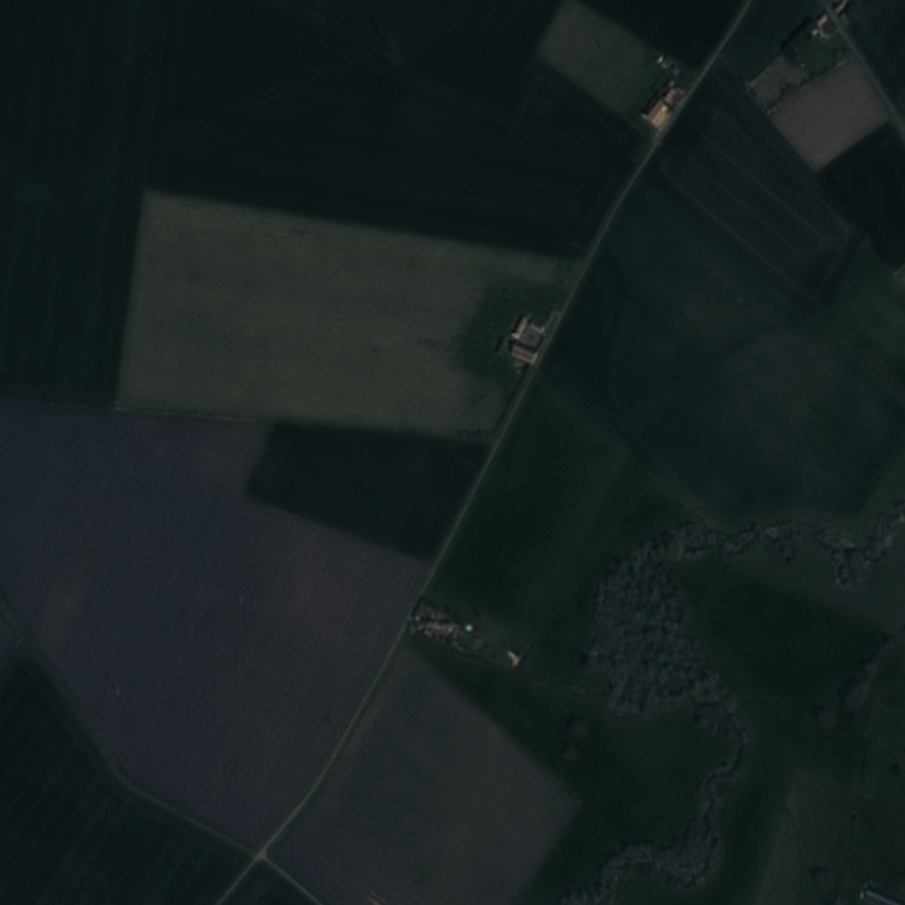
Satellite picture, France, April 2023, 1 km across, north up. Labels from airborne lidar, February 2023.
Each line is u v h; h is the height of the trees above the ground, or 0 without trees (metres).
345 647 0
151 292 0
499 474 0
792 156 0
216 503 0
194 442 0
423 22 0
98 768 0
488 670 0
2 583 0
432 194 0
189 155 0
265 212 0
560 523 0
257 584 0
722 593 0
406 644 0
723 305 0
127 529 0
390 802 0
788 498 0
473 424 0
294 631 0
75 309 0
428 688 0
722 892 0
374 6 0
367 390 0
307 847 0
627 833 0
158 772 0
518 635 0
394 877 0
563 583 0
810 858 0
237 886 0
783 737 0
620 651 14
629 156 0
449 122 0
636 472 0
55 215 0
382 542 0
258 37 0
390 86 0
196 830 0
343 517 0
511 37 0
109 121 0
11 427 0
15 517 0
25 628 0
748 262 0
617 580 15
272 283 0
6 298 0
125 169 0
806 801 0
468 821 0
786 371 0
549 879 0
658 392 0
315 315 0
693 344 0
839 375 0
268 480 0
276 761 0
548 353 0
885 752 0
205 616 0
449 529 0
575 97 0
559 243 0
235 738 0
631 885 0
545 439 0
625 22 0
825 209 0
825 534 7
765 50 0
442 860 0
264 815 0
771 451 0
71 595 0
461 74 0
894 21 0
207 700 0
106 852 0
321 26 0
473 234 0
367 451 0
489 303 0
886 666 0
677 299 0
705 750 0
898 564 0
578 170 0
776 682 0
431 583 0
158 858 0
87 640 0
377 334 0
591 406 0
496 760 0
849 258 0
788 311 0
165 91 0
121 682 0
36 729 0
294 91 0
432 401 0
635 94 0
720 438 0
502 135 0
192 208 0
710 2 0
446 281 0
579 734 15
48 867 0
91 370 0
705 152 0
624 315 0
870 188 0
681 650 15
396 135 0
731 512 0
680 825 0
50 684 0
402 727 0
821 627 0
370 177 0
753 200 0
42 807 0
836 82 0
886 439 0
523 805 0
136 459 0
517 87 0
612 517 0
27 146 0
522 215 0
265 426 0
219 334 0
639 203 0
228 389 0
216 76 0
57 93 0
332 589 0
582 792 0
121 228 0
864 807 0
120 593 0
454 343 0
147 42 0
